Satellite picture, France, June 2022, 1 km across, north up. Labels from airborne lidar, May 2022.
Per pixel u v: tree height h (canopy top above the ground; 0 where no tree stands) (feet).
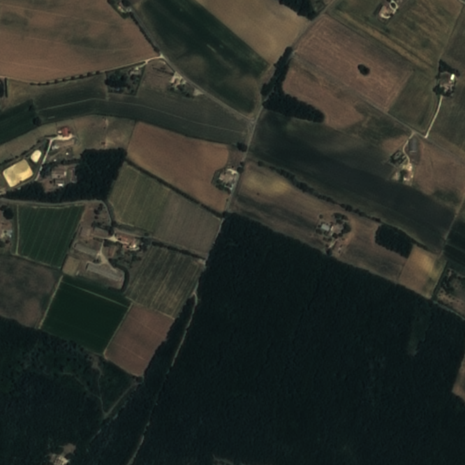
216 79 0
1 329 22
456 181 0
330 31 0
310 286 42
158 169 0
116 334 0
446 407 38
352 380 44
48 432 31
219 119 0
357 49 0
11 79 0
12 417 37
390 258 0
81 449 47
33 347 32
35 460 37
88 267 0
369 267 0
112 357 0
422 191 0
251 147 0
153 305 0
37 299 0
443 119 0
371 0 0
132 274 0
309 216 0
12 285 0
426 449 32
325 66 0
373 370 28
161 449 26
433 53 0
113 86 92
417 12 0
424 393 50
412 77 0
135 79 49
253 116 0
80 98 0
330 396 38
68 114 0
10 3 0
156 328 0
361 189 0
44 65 0
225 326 27
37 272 0
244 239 49
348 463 21
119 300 0
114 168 37
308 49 0
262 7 0
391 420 46
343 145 0
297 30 0
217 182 20
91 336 0
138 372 0
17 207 0
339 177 0
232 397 47
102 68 0
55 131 0
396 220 0
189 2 0
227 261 48
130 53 0
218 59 0
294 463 20
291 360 46
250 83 0
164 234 0
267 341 31
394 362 50
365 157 0
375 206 0
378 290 31
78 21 0
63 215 0
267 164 0
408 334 52
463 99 0
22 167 0
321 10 0
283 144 0
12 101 0
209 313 35
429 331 25
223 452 31
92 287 0
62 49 0
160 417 44
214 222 0
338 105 0
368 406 43
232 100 0
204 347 37
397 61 0
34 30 0
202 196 0
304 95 0
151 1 0
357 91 0
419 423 51
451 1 0
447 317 43
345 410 29
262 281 35
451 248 0
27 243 0
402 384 45
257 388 40
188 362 18
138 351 0
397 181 0
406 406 44
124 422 37
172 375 46
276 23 0
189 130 0
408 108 0
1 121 0
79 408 48
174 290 0
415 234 0
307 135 0
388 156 0
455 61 0
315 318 45
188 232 0
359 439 41
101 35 0
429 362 52
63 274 0
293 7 23
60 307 0
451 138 0
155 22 0
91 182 41
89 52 0
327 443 40
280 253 26
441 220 0
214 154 0
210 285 29
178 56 0
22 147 0
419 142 0
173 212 0
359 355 44
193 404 46
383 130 0
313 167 0
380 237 34
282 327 36
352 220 0
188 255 42
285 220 0
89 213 0
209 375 27
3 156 0
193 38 0
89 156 47
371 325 38
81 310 0
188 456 28
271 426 40
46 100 0
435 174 0
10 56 0
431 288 0
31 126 0
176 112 0
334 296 46
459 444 24
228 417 43
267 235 43
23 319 0
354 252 0
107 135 0
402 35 0
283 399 42
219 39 0
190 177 0
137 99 0
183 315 34
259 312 38
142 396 45
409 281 0
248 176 0
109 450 39
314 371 29
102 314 0
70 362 57
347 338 42
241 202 0
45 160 0
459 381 0
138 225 0
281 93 36
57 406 31
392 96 0
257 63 0
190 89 0
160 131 0
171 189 26
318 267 34
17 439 30
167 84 0
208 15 0
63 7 0
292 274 33
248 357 37
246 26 0
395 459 36
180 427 43
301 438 22
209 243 0
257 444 38
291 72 0
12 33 0
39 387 56
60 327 0
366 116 0
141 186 0
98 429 36
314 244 0
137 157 0
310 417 36
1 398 42
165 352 42
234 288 42
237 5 0
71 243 19
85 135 0
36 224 0
